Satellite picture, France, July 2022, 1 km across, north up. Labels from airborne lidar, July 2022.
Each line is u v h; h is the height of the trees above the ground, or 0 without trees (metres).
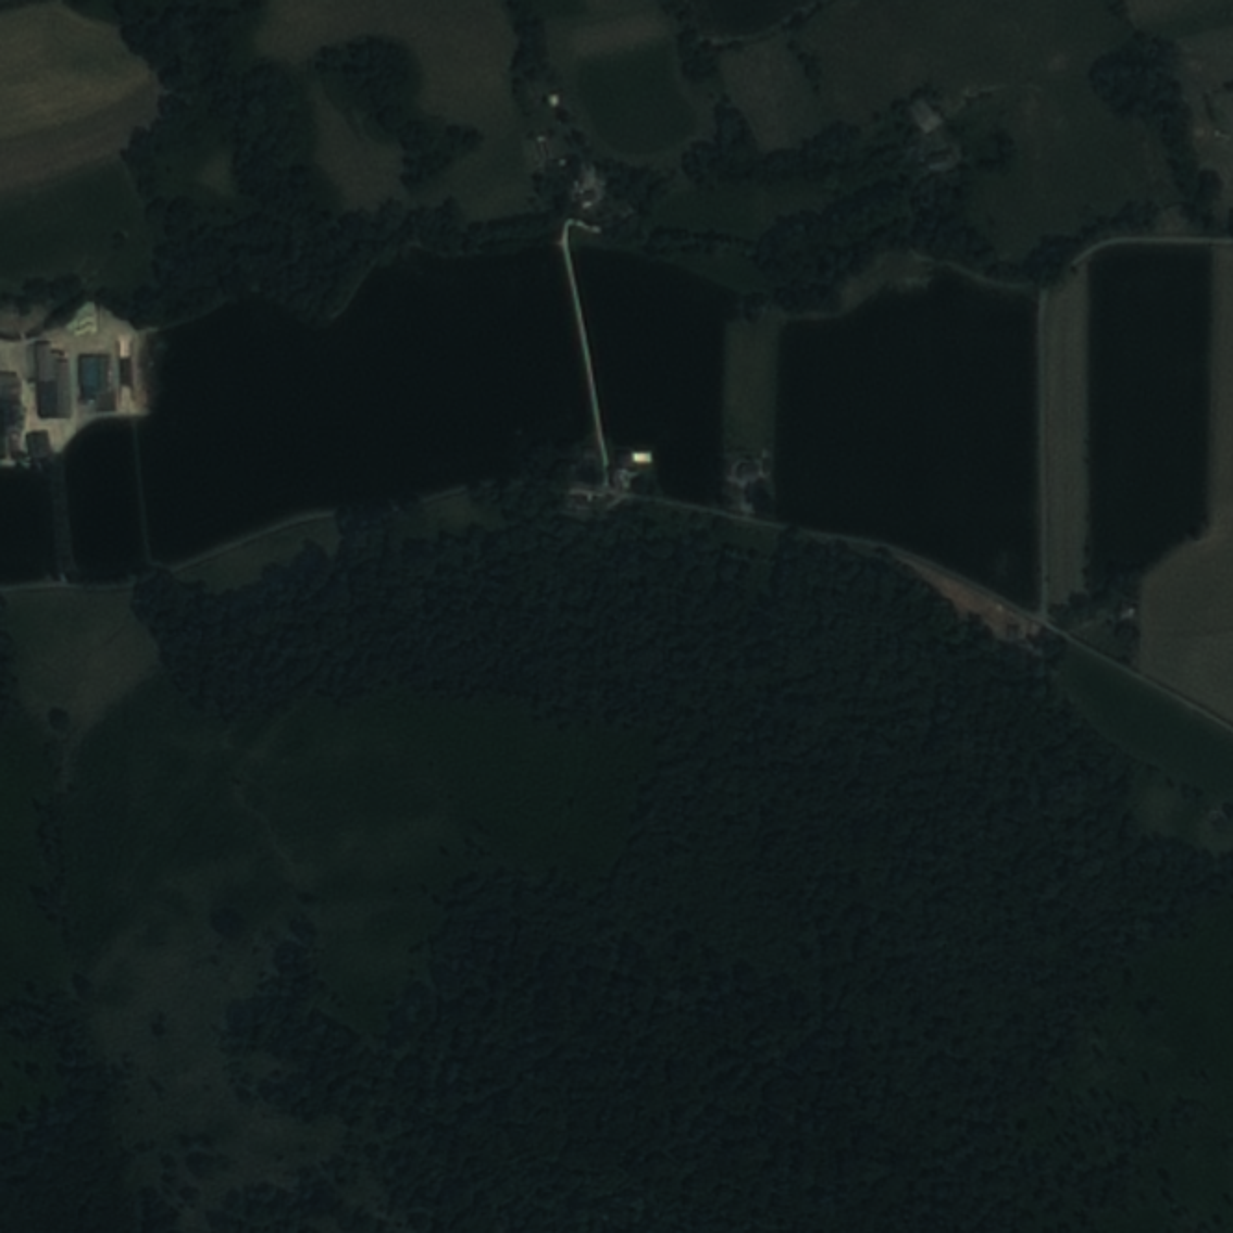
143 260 0
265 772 0
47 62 0
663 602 26
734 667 18
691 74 17
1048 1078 15
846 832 14
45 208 0
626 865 9
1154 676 0
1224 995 0
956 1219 17
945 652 25
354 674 15
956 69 0
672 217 0
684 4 10
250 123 25
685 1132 17
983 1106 18
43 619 0
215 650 21
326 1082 11
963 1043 25
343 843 0
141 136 18
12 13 0
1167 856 22
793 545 23
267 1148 0
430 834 0
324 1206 15
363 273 8
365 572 30
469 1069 21
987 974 19
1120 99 25
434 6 0
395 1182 8
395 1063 9
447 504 0
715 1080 11
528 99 11
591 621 16
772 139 0
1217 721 0
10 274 0
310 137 0
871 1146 22
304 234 14
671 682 16
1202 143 0
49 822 17
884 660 17
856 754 22
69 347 0
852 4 0
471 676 17
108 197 0
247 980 0
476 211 0
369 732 0
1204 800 13
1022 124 0
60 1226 25
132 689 0
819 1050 33
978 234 18
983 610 0
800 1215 19
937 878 21
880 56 0
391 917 0
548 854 0
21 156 0
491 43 0
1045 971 24
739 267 0
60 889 11
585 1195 19
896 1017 13
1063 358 0
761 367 0
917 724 16
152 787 0
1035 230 0
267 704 10
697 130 0
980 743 26
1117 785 20
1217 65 0
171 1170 13
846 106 0
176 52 12
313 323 20
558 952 22
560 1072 24
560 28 0
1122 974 8
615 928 17
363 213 7
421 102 0
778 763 20
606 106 0
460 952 11
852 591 23
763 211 0
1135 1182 9
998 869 20
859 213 25
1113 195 0
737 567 22
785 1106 27
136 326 13
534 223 16
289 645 24
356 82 7
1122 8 20
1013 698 21
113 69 0
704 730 6
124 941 0
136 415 0
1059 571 0
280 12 0
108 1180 27
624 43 0
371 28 0
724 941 12
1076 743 18
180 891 0
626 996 17
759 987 22
